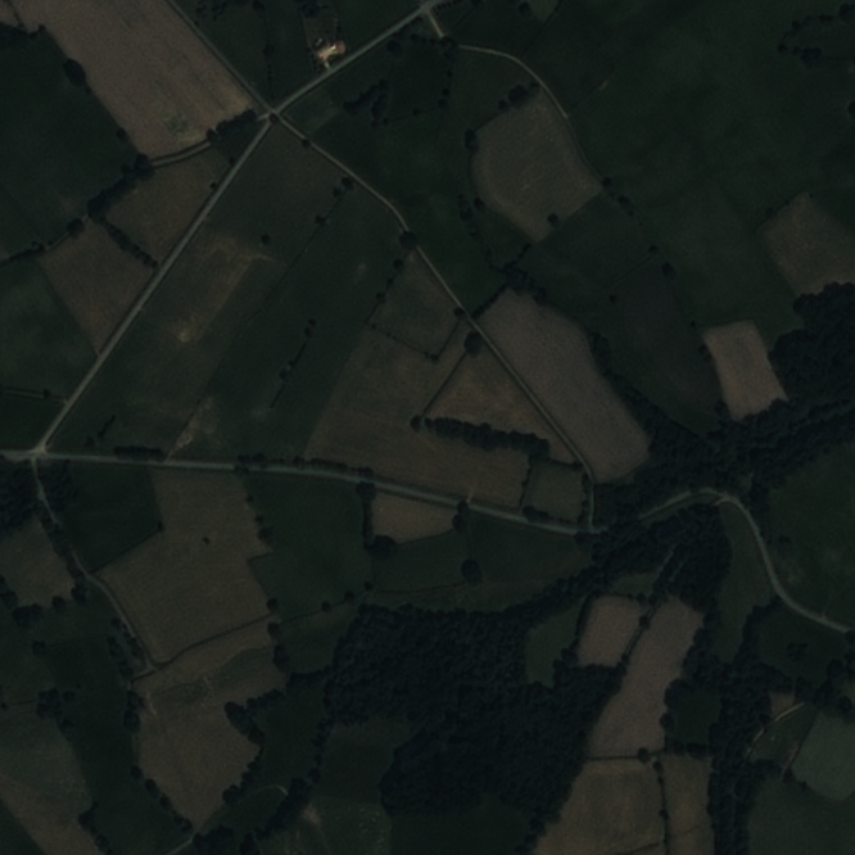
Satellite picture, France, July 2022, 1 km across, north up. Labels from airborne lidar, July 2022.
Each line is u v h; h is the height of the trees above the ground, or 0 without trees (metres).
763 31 0
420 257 0
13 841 0
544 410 0
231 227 0
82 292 0
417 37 11
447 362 0
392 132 0
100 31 0
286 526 0
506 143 0
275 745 0
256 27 0
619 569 16
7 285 0
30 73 0
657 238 0
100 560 0
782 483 13
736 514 0
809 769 0
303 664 0
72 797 0
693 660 14
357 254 0
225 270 0
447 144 0
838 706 17
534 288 20
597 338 13
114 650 13
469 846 0
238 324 0
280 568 0
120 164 0
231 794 13
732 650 0
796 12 0
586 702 20
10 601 19
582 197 0
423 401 0
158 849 0
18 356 0
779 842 0
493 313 0
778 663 0
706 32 0
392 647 21
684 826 0
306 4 7
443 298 0
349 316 0
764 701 18
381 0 0
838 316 22
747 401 0
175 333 0
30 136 0
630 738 0
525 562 0
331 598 0
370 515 10
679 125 0
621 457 0
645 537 20
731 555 17
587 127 0
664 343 0
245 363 0
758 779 20
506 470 0
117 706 0
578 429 0
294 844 0
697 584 24
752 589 0
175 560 0
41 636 0
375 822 0
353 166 0
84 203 0
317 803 0
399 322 0
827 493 0
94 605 0
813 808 0
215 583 0
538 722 20
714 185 0
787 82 0
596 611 0
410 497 0
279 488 0
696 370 0
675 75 0
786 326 0
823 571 0
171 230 0
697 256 0
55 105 0
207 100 0
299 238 0
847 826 0
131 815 0
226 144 0
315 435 0
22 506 12
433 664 24
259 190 0
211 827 0
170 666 0
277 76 0
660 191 0
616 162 0
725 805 20
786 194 0
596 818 0
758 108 0
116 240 13
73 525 0
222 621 0
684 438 21
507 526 0
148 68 0
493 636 17
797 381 23
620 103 0
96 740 0
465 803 25
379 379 0
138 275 0
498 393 0
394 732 0
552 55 0
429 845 0
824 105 0
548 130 0
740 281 0
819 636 0
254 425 0
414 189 0
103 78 0
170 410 0
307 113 0
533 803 14
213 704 0
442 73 0
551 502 0
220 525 0
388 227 0
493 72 0
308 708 0
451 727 30
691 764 0
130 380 0
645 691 0
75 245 0
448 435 14
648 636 0
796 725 0
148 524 0
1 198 0
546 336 0
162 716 0
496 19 0
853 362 16
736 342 0
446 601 0
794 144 0
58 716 15
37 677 0
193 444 0
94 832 13
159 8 0
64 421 0
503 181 0
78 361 0
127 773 0
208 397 0
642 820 0
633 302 0
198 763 0
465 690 26
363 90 0
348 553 0
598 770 0
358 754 0
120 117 0
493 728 26
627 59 0
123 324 0
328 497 0
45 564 0
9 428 0
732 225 0
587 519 13
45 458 0
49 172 0
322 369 0
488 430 18
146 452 14
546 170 0
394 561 0
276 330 0
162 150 0
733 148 0
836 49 0
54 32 0
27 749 0
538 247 0
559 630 0
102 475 0
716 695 14
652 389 0
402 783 24
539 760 21
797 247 0
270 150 0
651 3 0
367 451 0
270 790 0
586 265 0
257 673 0
